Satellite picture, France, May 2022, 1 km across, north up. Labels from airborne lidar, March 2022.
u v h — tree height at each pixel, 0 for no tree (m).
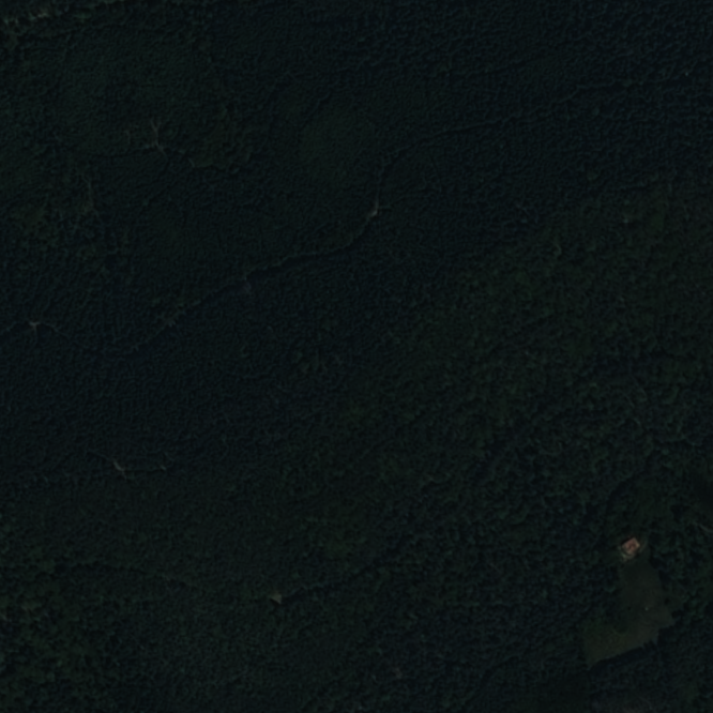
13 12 15
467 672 26
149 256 16
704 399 35
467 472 33
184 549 16
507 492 29
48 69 8
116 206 19
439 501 30
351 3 16
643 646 0
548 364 22
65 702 37
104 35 10
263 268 8
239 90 23
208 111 20
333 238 17
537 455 28
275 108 17
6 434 21
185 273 13
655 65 24
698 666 24
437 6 17
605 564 22
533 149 22
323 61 19
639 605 0
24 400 26
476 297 22
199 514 18
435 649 32
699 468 30
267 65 14
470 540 24
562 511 7
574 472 23
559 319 19
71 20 14
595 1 25
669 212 20
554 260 22
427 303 19
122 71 11
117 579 24
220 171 23
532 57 13
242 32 13
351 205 15
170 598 22
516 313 23
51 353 21
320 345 23
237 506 27
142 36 11
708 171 33
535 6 25
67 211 11
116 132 7
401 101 15
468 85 26
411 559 33
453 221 19
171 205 20
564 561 23
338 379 21
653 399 13
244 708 21
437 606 24
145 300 23
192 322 16
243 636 20
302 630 26
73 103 8
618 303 30
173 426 16
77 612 25
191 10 20
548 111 21
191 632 15
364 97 19
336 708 34
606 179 22
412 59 28
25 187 15
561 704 12
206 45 15
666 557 26
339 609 22
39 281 24
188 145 17
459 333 18
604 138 28
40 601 27
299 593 16
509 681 14
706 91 28
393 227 12
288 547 21
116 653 31
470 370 25
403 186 14
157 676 20
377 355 23
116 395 29
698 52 32
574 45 21
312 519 20
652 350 31
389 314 21
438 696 32
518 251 14
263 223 18
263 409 21
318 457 25
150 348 19
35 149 19
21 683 29
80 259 26
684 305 24
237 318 20
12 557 23
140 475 17
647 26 27
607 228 16
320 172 10
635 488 32
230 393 20
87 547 23
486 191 20
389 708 31
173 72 7
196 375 18
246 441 22
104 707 30
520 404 26
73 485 17
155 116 9
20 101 14
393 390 25
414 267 19
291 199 16
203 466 15
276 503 23
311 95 15
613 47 29
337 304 18
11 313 22
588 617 20
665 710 23
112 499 12
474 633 33
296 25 16
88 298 15
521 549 24
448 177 17
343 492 29
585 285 24
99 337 15
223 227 19
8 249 24
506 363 26
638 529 7
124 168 15
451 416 26
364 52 33
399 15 25
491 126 16
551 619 19
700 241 22
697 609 21
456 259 18
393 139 14
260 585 14
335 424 23
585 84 23
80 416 21
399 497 24
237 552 22
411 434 29
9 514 19
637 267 24
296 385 24
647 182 22
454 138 17
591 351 22
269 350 20
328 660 20
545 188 21
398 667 32
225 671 22
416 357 19
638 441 22
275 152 19
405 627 33
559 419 33
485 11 22
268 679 19
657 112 32
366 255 21
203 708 20
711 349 20
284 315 19
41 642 30
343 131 9
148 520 18
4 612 28
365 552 27
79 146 11
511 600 29
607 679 21
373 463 29
